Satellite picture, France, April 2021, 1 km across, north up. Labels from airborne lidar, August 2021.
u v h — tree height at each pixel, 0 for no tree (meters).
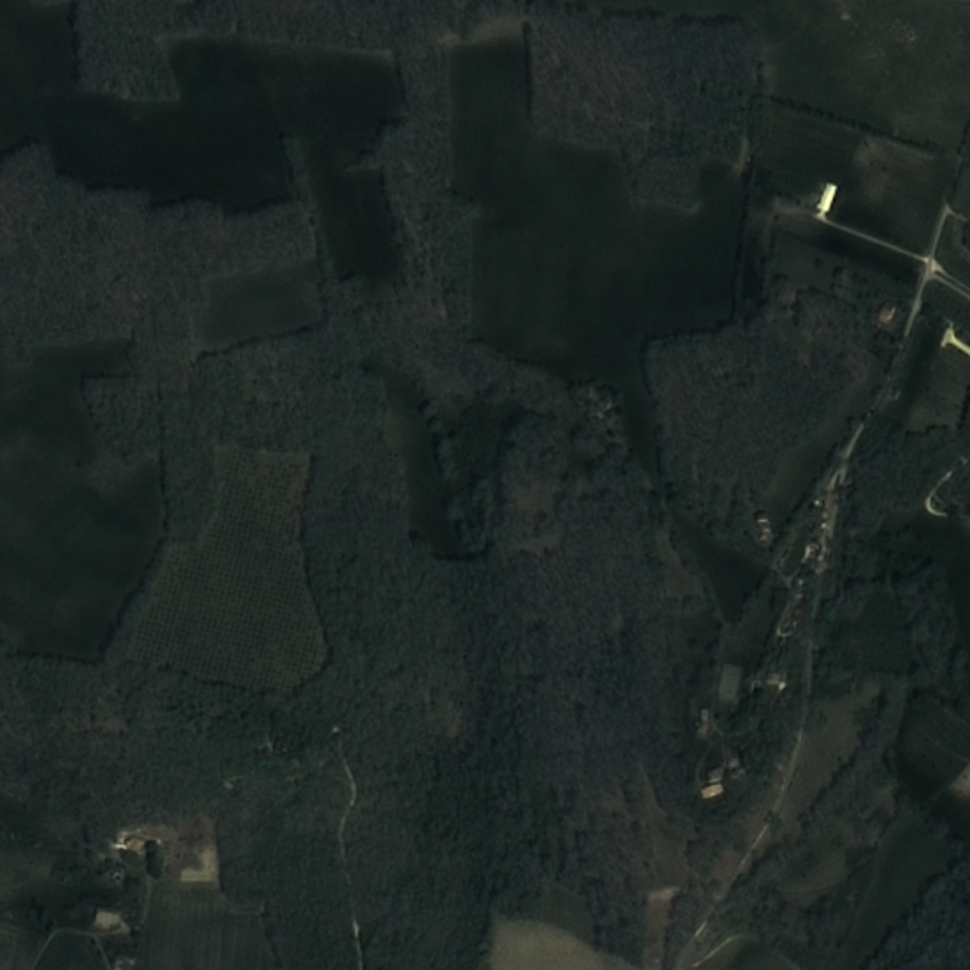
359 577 17
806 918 15
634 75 19
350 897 13
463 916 9
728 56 19
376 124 0
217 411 17
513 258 0
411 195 18
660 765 24
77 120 0
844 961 0
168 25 20
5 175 16
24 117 0
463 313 15
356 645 18
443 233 16
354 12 17
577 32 18
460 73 0
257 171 0
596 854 17
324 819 13
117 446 9
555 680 22
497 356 14
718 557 0
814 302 18
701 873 18
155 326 14
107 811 18
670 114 19
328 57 0
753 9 0
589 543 19
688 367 18
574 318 0
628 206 0
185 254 20
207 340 0
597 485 20
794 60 0
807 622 22
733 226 0
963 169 9
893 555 11
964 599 0
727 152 17
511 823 23
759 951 0
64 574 0
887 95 0
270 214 19
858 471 12
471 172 0
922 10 0
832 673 21
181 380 13
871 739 17
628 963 15
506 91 0
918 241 0
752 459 16
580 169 0
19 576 0
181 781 16
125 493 0
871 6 0
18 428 0
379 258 0
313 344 18
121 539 0
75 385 0
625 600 16
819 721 23
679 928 13
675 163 15
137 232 19
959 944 15
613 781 18
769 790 16
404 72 16
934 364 0
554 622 19
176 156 0
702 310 0
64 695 7
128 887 15
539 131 8
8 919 0
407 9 17
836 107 0
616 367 0
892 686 21
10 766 15
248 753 13
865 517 21
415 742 18
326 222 0
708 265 0
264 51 0
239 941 0
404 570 23
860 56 0
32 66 0
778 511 0
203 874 0
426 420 15
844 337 18
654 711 20
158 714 14
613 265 0
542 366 9
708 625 0
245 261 16
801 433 14
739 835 18
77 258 17
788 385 17
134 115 0
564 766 21
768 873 25
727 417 14
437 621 21
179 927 0
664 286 0
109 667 15
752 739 12
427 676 20
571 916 0
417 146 16
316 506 20
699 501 12
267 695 15
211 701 10
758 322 16
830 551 12
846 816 18
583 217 0
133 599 12
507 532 26
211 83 0
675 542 12
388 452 17
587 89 18
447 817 13
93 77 19
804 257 0
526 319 0
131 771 15
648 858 15
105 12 21
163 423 15
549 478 18
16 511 0
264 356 13
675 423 13
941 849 0
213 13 16
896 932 16
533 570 21
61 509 0
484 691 14
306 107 0
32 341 14
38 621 0
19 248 17
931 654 25
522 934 0
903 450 13
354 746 16
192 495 15
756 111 16
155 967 0
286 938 13
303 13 13
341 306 13
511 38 0
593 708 14
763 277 12
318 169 0
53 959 0
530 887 21
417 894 9
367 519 24
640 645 18
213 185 0
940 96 0
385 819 15
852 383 13
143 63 19
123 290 19
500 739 22
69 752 17
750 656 0
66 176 15
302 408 16
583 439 18
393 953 13
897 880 0
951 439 14
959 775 0
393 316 12
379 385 25
